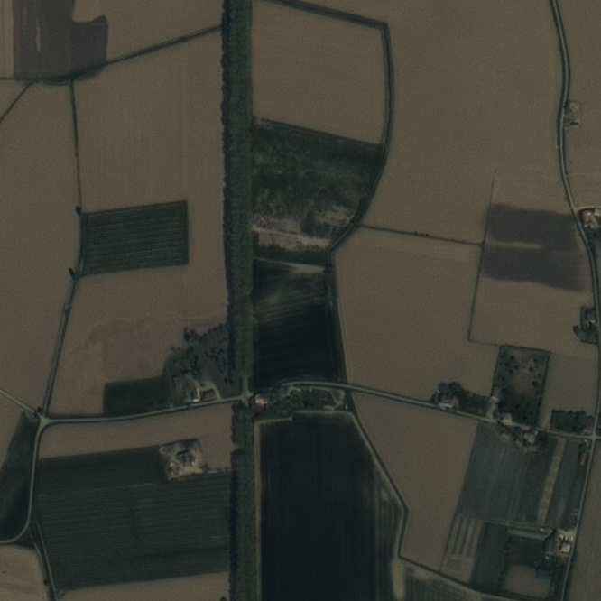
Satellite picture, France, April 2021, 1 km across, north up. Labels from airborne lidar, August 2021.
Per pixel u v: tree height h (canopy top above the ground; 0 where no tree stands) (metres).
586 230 11
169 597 0
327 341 0
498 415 9
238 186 34
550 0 0
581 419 17
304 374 0
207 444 0
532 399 0
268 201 0
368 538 0
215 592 0
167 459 0
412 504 0
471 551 0
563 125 0
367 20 0
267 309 0
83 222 0
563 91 0
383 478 0
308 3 0
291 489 0
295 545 0
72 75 0
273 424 0
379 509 0
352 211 0
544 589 0
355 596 0
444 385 10
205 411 0
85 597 0
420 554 0
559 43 0
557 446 0
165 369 0
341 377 0
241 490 28
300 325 0
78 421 0
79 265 0
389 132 0
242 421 22
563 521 0
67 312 14
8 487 0
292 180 0
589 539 0
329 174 0
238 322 33
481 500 0
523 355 0
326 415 0
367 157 0
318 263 0
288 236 0
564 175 0
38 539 0
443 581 0
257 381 0
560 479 0
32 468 0
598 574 0
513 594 6
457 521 0
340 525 0
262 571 0
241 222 39
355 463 0
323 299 0
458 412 8
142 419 0
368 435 0
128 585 0
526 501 0
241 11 31
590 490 0
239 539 31
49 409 0
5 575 0
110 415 0
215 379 0
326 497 0
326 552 0
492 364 0
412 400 0
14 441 0
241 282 35
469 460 0
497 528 0
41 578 0
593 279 0
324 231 0
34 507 0
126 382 0
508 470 0
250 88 30
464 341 0
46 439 0
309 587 0
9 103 0
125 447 0
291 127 0
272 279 0
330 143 0
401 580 0
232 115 33
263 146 0
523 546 0
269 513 0
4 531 0
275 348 0
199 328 0
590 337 14
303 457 0
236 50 37
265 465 0
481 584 0
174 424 0
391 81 0
